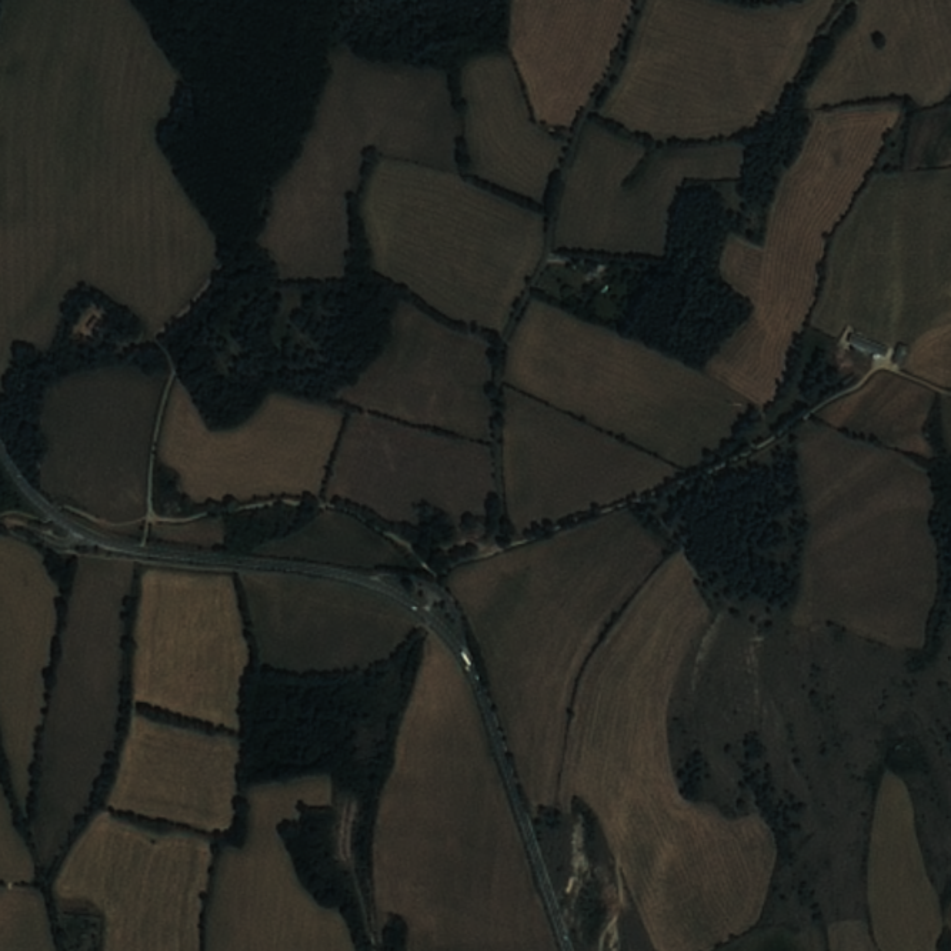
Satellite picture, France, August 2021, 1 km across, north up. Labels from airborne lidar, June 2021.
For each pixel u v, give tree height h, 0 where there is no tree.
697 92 0
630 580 0
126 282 0
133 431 0
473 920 0
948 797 0
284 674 11
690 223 18
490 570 0
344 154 0
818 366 13
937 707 0
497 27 11
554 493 0
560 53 0
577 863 0
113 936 0
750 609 0
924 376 0
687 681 0
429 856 0
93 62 0
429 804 0
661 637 0
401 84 0
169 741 0
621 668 0
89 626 0
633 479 0
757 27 0
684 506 15
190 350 12
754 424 15
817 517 0
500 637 0
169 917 0
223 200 16
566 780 0
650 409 0
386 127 0
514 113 0
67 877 0
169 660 0
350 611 0
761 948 0
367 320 16
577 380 0
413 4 13
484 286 0
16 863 0
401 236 0
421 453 0
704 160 0
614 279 8
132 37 0
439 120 0
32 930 0
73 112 0
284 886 0
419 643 7
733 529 11
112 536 0
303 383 8
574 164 0
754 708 0
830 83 0
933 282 0
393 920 7
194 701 0
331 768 12
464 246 0
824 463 0
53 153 0
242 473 0
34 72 0
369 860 6
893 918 0
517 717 0
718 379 0
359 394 0
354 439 0
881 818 0
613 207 0
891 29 0
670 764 0
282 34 17
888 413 0
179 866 0
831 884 0
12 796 10
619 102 0
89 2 0
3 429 12
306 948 0
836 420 0
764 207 7
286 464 0
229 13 23
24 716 0
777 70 0
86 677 0
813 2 0
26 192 0
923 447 0
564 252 10
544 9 0
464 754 0
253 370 15
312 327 11
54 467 0
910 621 0
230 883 0
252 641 14
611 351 0
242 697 10
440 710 0
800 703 0
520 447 0
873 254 0
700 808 0
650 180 0
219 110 20
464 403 0
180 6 19
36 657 0
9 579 0
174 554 0
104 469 0
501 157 0
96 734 0
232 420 11
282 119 17
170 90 0
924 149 0
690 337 21
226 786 0
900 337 0
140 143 0
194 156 19
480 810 0
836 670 0
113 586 0
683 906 0
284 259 0
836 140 0
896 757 6
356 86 0
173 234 0
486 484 0
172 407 0
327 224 0
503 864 0
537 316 0
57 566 11
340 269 0
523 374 0
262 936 0
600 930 0
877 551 0
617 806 0
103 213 0
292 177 0
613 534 0
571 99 0
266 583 0
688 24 0
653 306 25
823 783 0
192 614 0
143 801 0
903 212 0
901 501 0
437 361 0
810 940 0
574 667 0
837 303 0
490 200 0
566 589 0
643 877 0
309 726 12
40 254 0
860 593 0
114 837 0
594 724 0
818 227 0
